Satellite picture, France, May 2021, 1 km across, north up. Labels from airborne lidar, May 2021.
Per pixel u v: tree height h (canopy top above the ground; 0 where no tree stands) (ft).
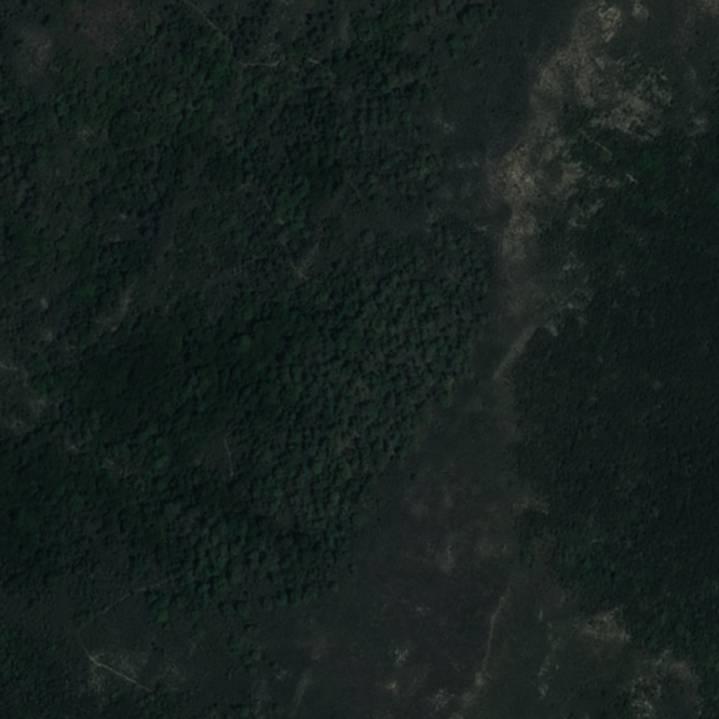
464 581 0
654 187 52
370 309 47
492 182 0
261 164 30
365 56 63
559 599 0
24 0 21
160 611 40
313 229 19
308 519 44
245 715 47
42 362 23
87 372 86
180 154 52
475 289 24
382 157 31
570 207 29
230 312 36
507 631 0
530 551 23
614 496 54
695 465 58
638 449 31
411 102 52
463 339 40
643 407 37
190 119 38
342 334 70
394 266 24
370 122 35
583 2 0
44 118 56
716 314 53
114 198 50
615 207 34
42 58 0
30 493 68
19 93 26
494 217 0
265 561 52
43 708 27
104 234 35
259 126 52
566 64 0
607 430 37
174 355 35
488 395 0
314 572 24
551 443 34
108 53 22
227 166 52
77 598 19
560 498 39
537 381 40
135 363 70
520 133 0
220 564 40
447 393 42
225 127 32
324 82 48
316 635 0
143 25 21
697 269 49
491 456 0
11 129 22
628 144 20
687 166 37
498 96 0
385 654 0
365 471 29
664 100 47
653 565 38
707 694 22
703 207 55
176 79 22
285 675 0
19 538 79
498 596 0
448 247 31
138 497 24
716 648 44
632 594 26
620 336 53
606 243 41
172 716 32
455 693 0
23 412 26
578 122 29
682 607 40
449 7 47
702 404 49
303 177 45
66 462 83
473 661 0
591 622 22
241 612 38
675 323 43
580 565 27
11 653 41
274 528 53
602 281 23
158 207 24
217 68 65
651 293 52
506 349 0
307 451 43
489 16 43
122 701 32
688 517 47
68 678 28
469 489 0
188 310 38
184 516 34
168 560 32
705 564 35
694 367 41
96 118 49
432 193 37
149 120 23
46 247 34
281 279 23
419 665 0
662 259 42
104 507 48
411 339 36
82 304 45
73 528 29
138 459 28
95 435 46
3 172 50
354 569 24
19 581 55
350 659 0
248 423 41
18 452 79
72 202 31
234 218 46
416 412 38
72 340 25
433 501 0
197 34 21
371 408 67
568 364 41
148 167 45
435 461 0
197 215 53
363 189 26
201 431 53
